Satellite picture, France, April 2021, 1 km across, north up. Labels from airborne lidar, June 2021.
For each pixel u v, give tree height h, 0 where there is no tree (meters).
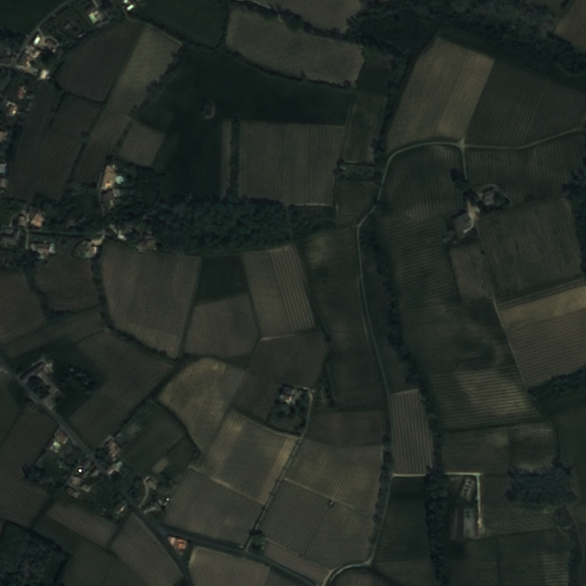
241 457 0
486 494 0
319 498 0
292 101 0
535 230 0
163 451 0
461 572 0
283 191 0
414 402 0
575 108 0
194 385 0
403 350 32
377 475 0
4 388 0
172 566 0
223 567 0
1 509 0
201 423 0
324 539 0
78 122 0
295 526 0
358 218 0
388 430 0
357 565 0
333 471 0
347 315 0
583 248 9
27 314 0
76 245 0
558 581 0
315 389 0
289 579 0
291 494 0
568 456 0
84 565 0
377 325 0
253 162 0
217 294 0
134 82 0
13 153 13
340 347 0
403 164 0
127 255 0
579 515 0
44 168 0
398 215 0
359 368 0
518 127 0
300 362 0
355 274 0
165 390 0
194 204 12
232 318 0
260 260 0
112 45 0
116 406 0
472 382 0
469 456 0
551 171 0
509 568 0
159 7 0
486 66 0
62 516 0
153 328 0
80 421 0
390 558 0
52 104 0
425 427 0
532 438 0
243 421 0
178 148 0
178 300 0
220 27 0
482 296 0
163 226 24
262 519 0
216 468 0
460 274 0
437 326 0
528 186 0
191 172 0
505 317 0
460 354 0
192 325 0
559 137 0
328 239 0
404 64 20
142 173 8
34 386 12
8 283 0
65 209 7
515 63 0
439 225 0
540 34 20
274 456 0
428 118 0
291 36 0
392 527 0
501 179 0
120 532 0
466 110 0
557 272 0
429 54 0
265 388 0
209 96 0
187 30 0
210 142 0
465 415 0
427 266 0
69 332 0
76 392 0
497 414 0
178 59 14
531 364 0
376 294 0
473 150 0
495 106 0
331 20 0
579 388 11
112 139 0
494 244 0
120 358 0
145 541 0
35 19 0
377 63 0
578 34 0
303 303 0
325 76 0
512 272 0
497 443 0
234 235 18
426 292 0
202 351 0
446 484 24
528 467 0
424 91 0
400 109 0
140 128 0
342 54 0
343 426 0
